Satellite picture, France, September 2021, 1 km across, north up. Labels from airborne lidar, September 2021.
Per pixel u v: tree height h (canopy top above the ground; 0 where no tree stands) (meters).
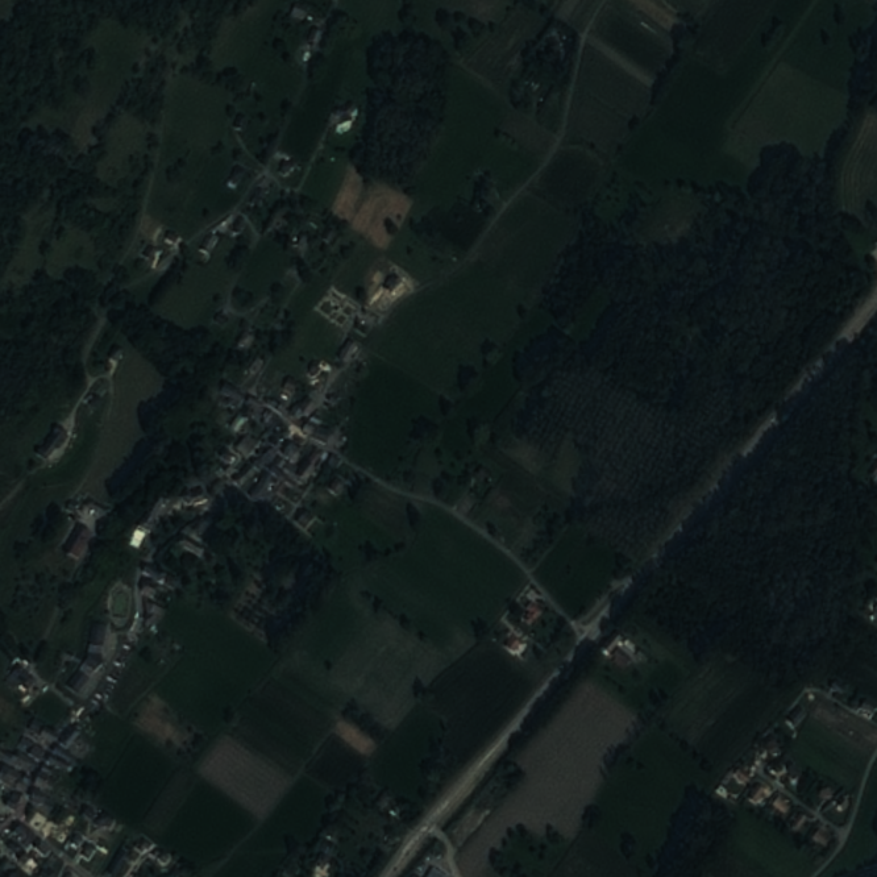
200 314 0
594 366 25
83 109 0
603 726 0
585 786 0
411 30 11
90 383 0
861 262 0
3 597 0
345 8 0
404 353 0
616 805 0
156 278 0
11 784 0
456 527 0
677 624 9
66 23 22
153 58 14
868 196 0
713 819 31
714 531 35
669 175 0
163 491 15
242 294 12
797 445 28
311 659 0
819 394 26
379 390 0
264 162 10
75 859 0
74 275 14
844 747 0
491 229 0
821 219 8
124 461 0
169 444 22
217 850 0
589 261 11
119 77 0
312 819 0
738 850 0
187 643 0
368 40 0
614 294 26
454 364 0
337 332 0
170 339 27
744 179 0
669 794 0
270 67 0
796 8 0
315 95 0
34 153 24
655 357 29
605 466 26
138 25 19
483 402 0
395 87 27
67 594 16
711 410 27
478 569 0
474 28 15
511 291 0
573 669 11
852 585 36
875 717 0
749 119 0
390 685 0
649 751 0
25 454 0
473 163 0
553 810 0
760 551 27
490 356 16
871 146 0
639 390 22
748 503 26
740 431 21
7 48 20
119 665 0
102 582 0
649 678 0
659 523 26
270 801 0
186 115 0
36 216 0
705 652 22
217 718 0
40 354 17
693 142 0
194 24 13
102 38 0
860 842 0
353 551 0
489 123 0
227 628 0
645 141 0
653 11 0
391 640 0
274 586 20
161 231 0
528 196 0
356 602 0
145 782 0
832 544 29
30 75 21
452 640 0
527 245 0
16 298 16
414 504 0
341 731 0
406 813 9
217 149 6
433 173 0
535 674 0
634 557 28
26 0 0
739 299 39
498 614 0
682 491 25
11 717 0
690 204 0
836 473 24
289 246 12
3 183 13
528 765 0
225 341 0
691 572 30
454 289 0
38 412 6
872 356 17
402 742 0
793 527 37
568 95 0
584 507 26
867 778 0
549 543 8
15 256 16
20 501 0
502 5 0
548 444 29
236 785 0
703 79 0
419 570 0
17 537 0
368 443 0
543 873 0
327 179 0
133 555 0
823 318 14
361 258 0
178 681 0
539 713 16
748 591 29
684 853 28
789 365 19
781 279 29
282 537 25
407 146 29
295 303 0
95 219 16
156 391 0
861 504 20
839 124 0
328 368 0
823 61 0
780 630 38
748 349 30
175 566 16
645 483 29
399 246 0
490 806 0
